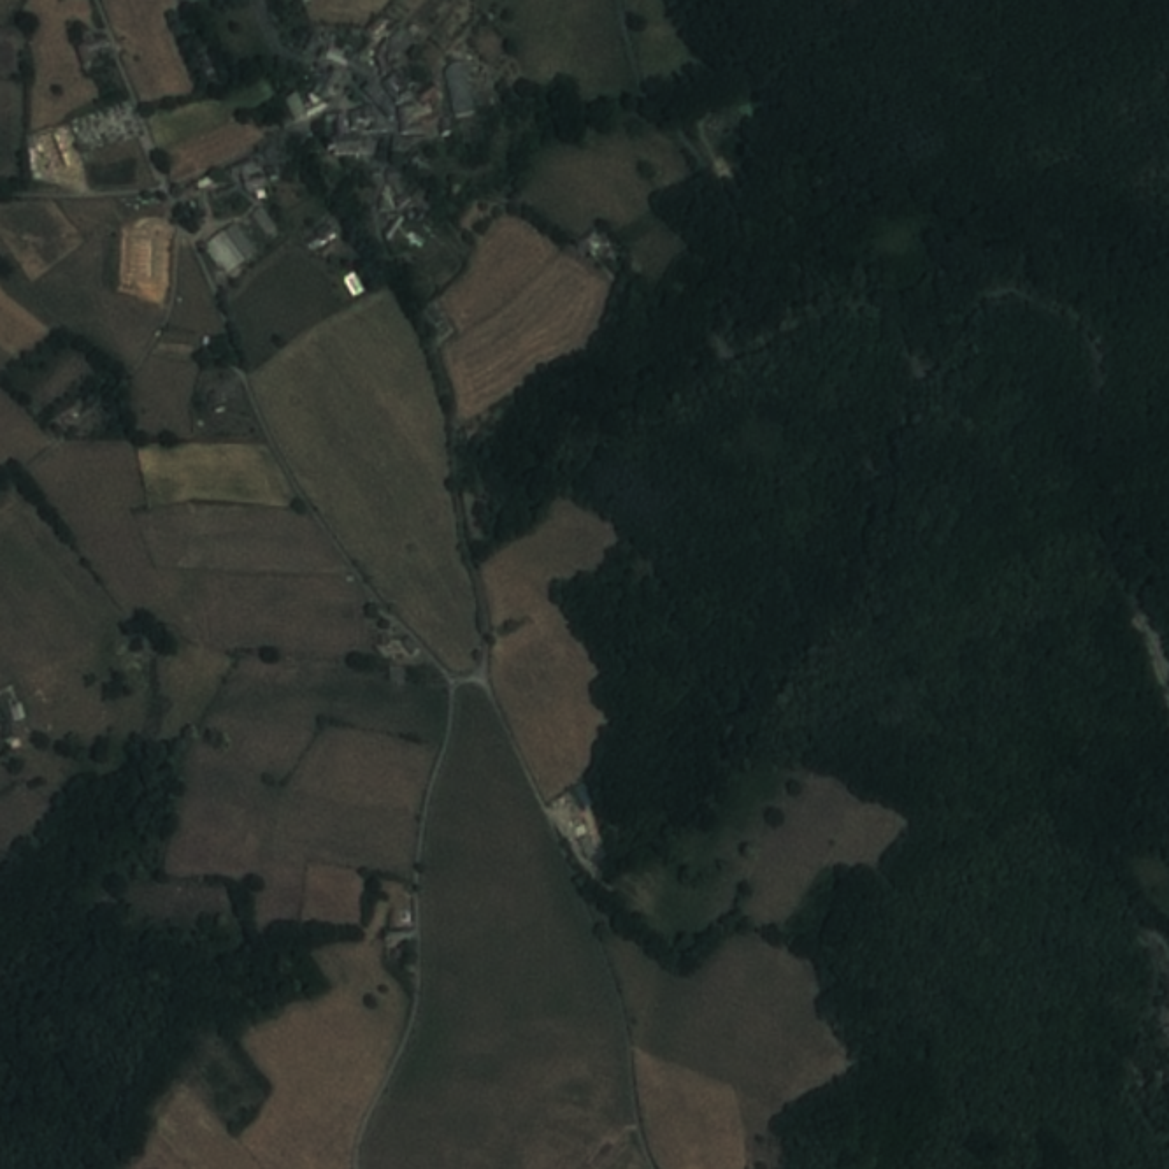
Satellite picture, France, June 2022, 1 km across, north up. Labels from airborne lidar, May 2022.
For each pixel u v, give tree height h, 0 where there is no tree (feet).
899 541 47
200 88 34
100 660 0
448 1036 0
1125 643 67
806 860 0
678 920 0
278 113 30
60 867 69
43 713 0
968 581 52
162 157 47
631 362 89
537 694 0
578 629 41
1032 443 46
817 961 55
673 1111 0
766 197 61
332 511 0
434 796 0
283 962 48
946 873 51
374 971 0
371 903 28
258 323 0
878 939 43
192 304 0
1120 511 101
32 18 45
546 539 0
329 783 0
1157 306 59
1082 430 64
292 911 0
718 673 65
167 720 0
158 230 0
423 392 0
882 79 62
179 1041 37
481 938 0
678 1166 0
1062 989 42
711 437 47
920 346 76
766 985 0
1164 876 0
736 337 54
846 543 68
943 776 60
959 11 57
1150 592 89
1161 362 30
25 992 54
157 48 0
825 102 50
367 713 0
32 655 0
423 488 0
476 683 0
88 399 36
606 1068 0
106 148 0
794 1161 47
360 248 65
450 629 0
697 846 0
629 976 0
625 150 0
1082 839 77
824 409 23
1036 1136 65
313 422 0
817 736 36
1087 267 54
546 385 64
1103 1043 30
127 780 67
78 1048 32
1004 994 35
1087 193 68
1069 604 63
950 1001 53
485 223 26
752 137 74
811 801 0
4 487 60
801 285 90
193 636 0
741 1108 0
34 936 66
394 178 0
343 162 40
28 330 0
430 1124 0
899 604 41
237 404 0
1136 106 33
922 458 54
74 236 0
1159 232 73
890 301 58
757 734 60
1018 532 56
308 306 0
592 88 0
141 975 32
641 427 55
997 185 61
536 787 0
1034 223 70
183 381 0
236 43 0
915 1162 45
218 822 0
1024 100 67
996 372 50
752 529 37
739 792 0
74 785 63
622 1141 0
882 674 28
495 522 26
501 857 0
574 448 58
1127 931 36
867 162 71
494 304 0
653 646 39
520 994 0
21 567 0
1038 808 50
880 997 52
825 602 79
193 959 61
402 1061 0
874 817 0
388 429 0
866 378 47
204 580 0
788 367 51
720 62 63
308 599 0
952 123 57
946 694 41
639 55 0
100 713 0
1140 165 38
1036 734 38
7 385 35
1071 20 64
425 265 0
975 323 55
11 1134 48
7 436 0
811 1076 0
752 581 62
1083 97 65
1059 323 58
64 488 0
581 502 50
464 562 19
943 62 55
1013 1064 50
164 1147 0
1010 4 68
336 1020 0
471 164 22
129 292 0
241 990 33
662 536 57
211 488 0
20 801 0
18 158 30
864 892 57
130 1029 45
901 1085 58
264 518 0
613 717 37
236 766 0
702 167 40
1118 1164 48
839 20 47
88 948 30
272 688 0
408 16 0
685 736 74
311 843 0
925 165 58
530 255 0
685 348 69
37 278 0
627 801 59
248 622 0
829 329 51
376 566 0
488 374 0
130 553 0
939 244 66
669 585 55
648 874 0
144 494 0
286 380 0
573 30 0
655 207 44
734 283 65
